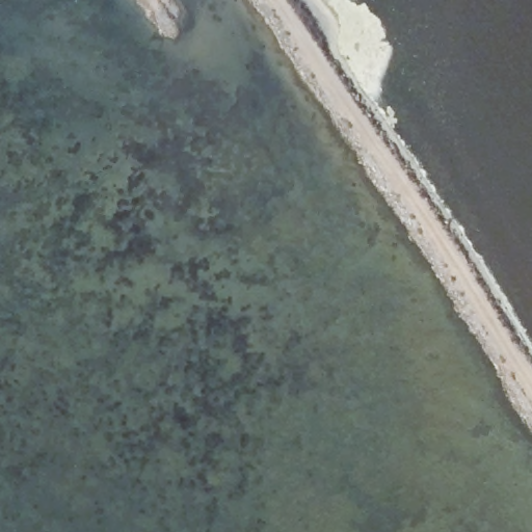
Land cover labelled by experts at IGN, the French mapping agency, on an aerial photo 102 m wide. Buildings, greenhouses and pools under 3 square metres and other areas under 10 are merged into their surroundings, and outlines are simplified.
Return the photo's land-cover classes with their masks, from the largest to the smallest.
<instances>
[{"label":"water","instance_id":"1","mask_svg":"<svg viewBox=\"0 0 532 532\"><path fill-rule=\"evenodd\" d=\"M179 6V21L175 23L177 35L164 37L158 33L156 23L148 21L137 0H0V532H532V430L520 418L517 409L511 405L490 357L486 355L478 337L470 330L468 322L455 310L449 291L438 281L432 264L422 254L418 243L409 237L407 227L389 206L384 193L368 177L366 166L362 164L355 148L341 135L330 112L303 83L291 60L278 46L276 35L264 23L262 15L256 10L251 0H175ZM355 4H366L370 12H374L380 19L387 42L391 44V58L382 75L380 104L384 108H393L397 121L395 131L405 139L407 148L416 154V158L428 172V179L434 183L438 195L445 200L453 214L457 220L459 224H463L476 251L484 258L486 266L495 274L497 283L501 285L503 293L511 301L517 318L522 320L524 328L532 339V0H355Z\"/></svg>","mask_w":532,"mask_h":532},{"label":"pervious surface","instance_id":"2","mask_svg":"<svg viewBox=\"0 0 532 532\"><path fill-rule=\"evenodd\" d=\"M148 21L156 23L158 33L164 37L177 35L175 23L179 21V6L175 0H137ZM266 6L276 8L285 29L291 31V44L299 48L297 56L291 60L303 83L330 112L341 135L355 148L362 164L366 166L368 177L384 193L389 206L407 227L409 237L418 243L422 254L432 264L438 281L449 291L455 310L468 322L470 330L478 337L486 355L490 357L511 405L517 409L520 418L532 430V366L526 362L524 353L511 341L507 328L501 324L497 312L488 303L474 274L470 272L463 256L447 237L428 204L420 197L416 185L407 179L405 170L399 166L395 156L384 148L382 139L376 135L370 121L353 104L349 91L339 81L333 67L326 62L322 50L297 17V12L293 10V6L289 4V0H268ZM305 4L318 19V25L326 33L333 54L341 60L347 75L355 81V87L364 91L366 104L374 110L376 118L387 129L389 139L397 143L403 158L411 164L424 189L430 193L432 202L438 204V210H443L445 218L453 214L445 200L438 195L434 183L428 179V172L416 158V154L407 148L405 139L395 131L397 121L393 108H384L380 104L382 75L391 58V44L387 42L380 19L374 12H370L366 4H355V0H305ZM453 231L468 247V254L480 268L490 291L499 299L501 308L505 310L507 318L511 320L520 339L532 355V339L524 328L522 320L517 318L511 301L503 293L501 285L497 283L495 274L486 266L484 258L476 251L463 224H459L457 220L451 224Z\"/></svg>","mask_w":532,"mask_h":532},{"label":"brushwood","instance_id":"3","mask_svg":"<svg viewBox=\"0 0 532 532\"><path fill-rule=\"evenodd\" d=\"M256 10L262 15L264 23L276 35L278 46L291 60L297 56L299 48L291 44V31L285 29L276 8L266 6L268 0H251ZM289 4L293 6V10L297 12V17L322 50L326 62L333 67L339 81L349 91L353 104L370 121L376 135L382 139L384 148L395 156L399 166L405 170L407 179L416 185L420 197L428 204L447 237L463 256L470 272L474 274L488 303L497 312L501 324L507 328L511 341L524 353L526 362L532 366V355L520 339L511 320L507 318L505 310L501 308L499 299L490 291L480 268L468 254V247L453 231L451 224L457 220L453 214L445 218L443 210H438V204L432 202L430 193L424 189L411 164L403 158L397 143L389 139L387 129L376 118L374 110L366 104L364 91L355 87V81L347 75L341 60L333 54L326 33L318 25V19L305 4V0H289Z\"/></svg>","mask_w":532,"mask_h":532}]
</instances>
